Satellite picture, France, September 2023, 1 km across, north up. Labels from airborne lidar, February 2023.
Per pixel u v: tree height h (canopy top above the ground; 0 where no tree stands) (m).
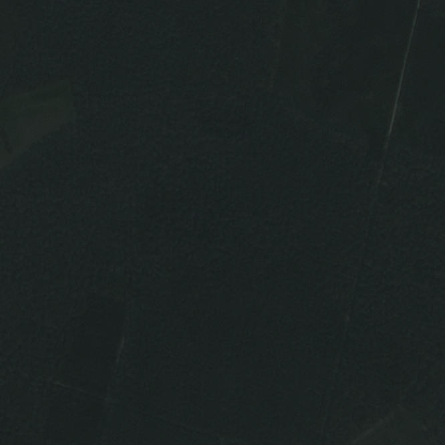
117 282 31
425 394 30
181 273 23
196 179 24
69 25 22
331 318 25
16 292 29
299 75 0
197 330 23
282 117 24
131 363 21
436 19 9
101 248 33
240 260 23
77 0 21
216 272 24
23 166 28
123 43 18
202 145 27
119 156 25
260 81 19
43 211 27
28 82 24
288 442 19
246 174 26
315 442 23
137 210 26
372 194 30
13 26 18
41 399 26
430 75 9
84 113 24
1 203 28
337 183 23
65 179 29
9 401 29
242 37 23
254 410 19
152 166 13
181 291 24
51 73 28
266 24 22
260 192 22
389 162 22
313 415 23
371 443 0
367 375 27
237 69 23
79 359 9
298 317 23
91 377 11
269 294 24
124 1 25
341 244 18
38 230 29
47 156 32
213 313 29
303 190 21
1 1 20
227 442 0
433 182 25
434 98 10
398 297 27
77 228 29
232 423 21
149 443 20
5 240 26
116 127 25
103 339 6
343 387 25
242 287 25
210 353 20
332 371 21
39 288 30
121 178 25
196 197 26
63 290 31
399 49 7
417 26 9
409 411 27
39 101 0
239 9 25
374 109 0
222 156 26
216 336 22
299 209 23
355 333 26
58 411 10
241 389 21
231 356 23
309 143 17
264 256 26
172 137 27
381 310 25
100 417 9
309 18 0
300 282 25
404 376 25
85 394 7
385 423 24
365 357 28
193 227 25
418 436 0
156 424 19
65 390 8
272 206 24
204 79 20
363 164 26
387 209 28
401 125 0
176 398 22
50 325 29
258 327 19
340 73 9
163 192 27
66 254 30
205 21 25
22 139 0
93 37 17
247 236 25
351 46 8
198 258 26
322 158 24
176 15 9
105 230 30
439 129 18
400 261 31
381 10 8
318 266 24
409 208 25
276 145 24
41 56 20
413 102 10
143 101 29
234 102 19
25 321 34
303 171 21
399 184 24
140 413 18
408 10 10
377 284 26
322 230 22
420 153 25
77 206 26
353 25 9
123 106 22
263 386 22
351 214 22
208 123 10
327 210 20
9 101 0
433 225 26
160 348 24
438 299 27
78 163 27
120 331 9
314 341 24
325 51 7
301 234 26
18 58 12
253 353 22
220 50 22
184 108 25
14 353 28
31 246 14
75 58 21
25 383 28
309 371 23
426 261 16
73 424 9
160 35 33
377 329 23
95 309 11
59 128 0
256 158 18
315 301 25
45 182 30
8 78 12
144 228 29
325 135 27
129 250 24
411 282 14
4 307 29
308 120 25
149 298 24
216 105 23
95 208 27
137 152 27
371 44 9
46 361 28
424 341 22
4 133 14
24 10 17
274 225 21
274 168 28
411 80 10
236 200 23
